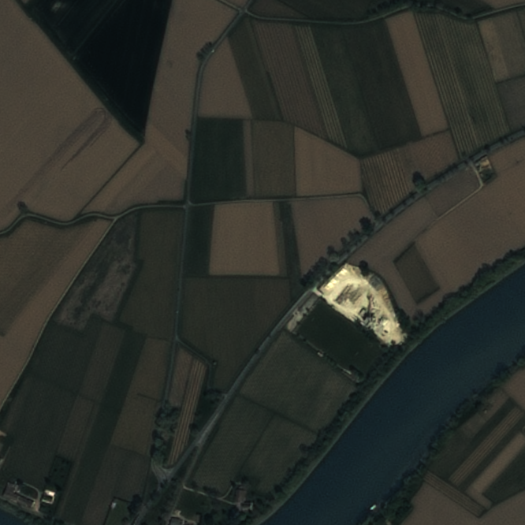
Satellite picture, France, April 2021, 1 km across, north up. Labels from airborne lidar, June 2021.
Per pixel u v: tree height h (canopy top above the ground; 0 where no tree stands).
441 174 0
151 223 0
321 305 0
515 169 0
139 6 0
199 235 0
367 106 0
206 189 0
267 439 0
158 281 0
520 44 0
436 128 0
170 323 0
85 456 0
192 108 0
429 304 0
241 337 0
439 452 16
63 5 0
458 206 0
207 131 0
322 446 9
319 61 0
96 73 0
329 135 0
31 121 0
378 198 0
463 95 0
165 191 0
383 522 14
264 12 0
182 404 0
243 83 0
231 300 0
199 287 0
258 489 0
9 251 0
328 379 0
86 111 0
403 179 0
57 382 0
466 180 0
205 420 0
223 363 0
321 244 0
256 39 0
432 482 0
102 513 0
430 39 0
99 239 0
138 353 0
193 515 0
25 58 0
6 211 0
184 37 0
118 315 0
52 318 0
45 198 0
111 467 0
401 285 0
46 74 0
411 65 0
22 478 0
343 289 0
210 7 0
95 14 0
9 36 0
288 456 0
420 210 0
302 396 0
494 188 0
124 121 0
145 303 0
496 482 0
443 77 0
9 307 0
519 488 0
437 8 14
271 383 0
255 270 0
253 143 0
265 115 0
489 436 0
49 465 0
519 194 0
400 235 0
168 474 0
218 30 0
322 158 0
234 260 0
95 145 0
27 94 0
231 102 0
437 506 0
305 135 0
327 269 15
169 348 0
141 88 0
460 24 0
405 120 0
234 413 0
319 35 0
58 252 0
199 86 0
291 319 0
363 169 0
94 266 0
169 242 0
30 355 0
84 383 0
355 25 0
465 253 0
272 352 0
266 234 0
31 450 0
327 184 0
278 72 0
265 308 0
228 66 0
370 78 0
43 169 0
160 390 0
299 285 0
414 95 0
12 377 0
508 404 0
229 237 0
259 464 0
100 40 0
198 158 0
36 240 0
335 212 0
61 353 0
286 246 0
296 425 0
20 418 0
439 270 0
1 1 0
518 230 0
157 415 0
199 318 0
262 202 0
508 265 14
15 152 0
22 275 0
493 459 0
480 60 0
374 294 0
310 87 0
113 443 0
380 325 0
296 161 0
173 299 0
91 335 0
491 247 0
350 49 0
